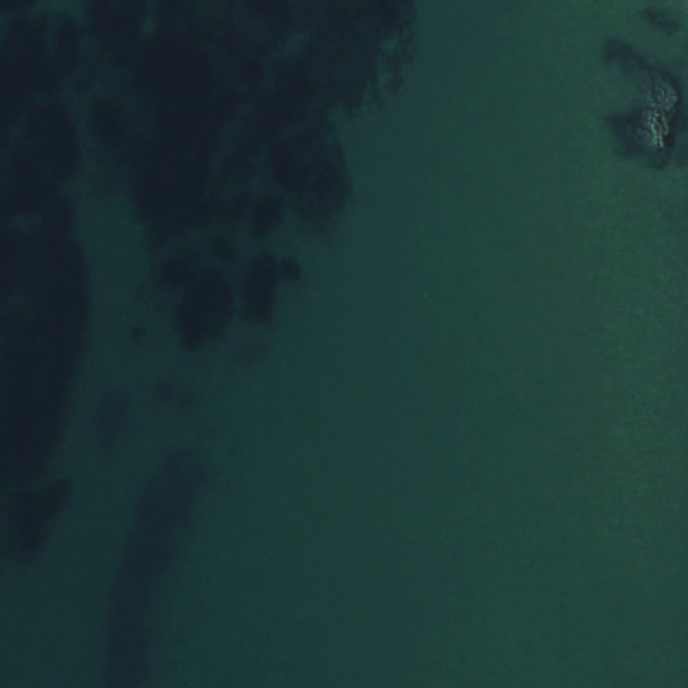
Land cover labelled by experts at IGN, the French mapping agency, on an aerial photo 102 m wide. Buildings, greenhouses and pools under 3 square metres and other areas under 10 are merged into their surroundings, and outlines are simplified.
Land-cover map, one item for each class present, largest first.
<instances>
[{"label":"water","instance_id":"1","mask_svg":"<svg viewBox=\"0 0 688 688\"><path fill-rule=\"evenodd\" d=\"M0 688H688V0H0Z\"/></svg>","mask_w":688,"mask_h":688}]
</instances>
